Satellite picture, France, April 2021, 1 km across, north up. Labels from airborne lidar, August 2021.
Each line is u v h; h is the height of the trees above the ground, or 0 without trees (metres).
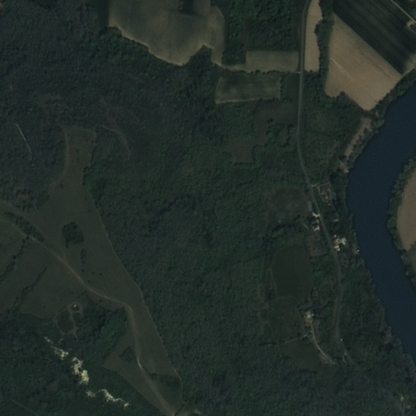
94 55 6
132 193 10
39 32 16
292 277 0
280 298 0
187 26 0
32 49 14
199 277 10
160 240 18
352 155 8
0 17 7
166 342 11
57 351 8
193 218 15
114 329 9
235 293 17
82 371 0
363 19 0
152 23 0
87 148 0
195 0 0
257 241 16
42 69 6
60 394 13
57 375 6
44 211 0
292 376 10
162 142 8
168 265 10
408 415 12
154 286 16
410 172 15
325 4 20
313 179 8
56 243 0
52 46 13
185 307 23
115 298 0
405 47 0
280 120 0
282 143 7
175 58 0
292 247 0
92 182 12
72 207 0
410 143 0
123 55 9
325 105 14
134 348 0
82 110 6
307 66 0
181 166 14
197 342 22
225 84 0
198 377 13
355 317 10
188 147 10
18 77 10
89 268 0
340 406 17
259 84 0
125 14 0
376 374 14
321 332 8
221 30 0
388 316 0
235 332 23
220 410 14
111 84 9
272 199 0
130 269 9
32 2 16
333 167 7
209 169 15
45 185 20
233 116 7
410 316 0
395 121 0
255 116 11
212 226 9
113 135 8
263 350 18
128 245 18
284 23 18
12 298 0
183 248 15
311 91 9
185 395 6
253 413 7
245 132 9
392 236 11
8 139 20
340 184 36
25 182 21
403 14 0
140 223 27
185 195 8
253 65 0
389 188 0
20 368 8
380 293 0
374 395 18
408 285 0
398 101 0
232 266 16
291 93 0
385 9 0
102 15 0
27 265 0
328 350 11
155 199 11
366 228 0
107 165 6
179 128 11
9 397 10
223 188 11
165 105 12
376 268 0
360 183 0
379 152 0
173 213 18
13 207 8
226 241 19
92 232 0
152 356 0
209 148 22
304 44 0
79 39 14
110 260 0
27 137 14
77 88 6
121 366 0
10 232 0
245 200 12
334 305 13
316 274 9
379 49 0
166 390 0
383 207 0
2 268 0
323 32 20
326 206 0
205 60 17
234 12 16
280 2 14
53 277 0
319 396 25
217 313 17
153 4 0
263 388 12
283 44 14
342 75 0
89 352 7
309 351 0
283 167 12
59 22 15
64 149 13
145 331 0
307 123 6
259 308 9
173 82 17
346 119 10
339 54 0
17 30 14
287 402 7
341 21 0
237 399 15
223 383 8
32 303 0
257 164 19
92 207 0
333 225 7
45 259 0
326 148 6
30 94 9
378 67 0
